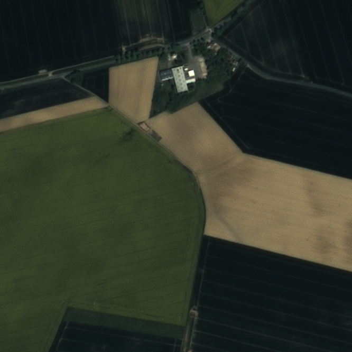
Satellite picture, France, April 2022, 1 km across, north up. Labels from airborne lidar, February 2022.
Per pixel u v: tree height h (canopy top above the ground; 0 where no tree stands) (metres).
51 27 0
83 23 0
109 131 0
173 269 0
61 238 0
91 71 0
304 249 0
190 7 0
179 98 17
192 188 0
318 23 0
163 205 0
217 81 11
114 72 0
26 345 0
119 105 0
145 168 0
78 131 0
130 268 0
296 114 0
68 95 0
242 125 0
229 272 0
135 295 0
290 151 0
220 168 0
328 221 0
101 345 0
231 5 0
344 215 0
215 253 0
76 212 0
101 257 0
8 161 0
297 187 0
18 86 0
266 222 0
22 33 0
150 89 0
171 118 0
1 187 0
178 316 0
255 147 0
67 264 0
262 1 0
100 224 0
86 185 0
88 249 0
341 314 0
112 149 0
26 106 0
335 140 0
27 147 0
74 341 0
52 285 0
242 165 0
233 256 0
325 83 0
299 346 0
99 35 0
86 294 0
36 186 0
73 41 0
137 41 0
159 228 0
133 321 0
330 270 0
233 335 0
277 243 0
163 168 0
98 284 0
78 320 0
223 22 0
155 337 0
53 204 0
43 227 0
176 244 0
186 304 0
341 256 0
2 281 0
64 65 0
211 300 0
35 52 0
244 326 0
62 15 0
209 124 0
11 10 0
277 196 0
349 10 0
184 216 0
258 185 0
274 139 0
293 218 0
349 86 0
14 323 0
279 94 0
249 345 0
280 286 0
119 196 0
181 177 0
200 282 0
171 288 0
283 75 0
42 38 0
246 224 0
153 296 0
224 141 0
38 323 0
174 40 0
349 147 0
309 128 0
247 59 0
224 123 0
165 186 0
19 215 0
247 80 0
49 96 0
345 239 0
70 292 0
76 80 15
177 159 0
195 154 0
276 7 0
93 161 0
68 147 0
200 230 0
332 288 0
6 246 0
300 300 0
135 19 0
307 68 0
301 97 0
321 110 0
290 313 0
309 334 0
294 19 0
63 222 0
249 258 0
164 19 0
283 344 0
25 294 0
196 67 0
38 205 0
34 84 0
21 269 0
